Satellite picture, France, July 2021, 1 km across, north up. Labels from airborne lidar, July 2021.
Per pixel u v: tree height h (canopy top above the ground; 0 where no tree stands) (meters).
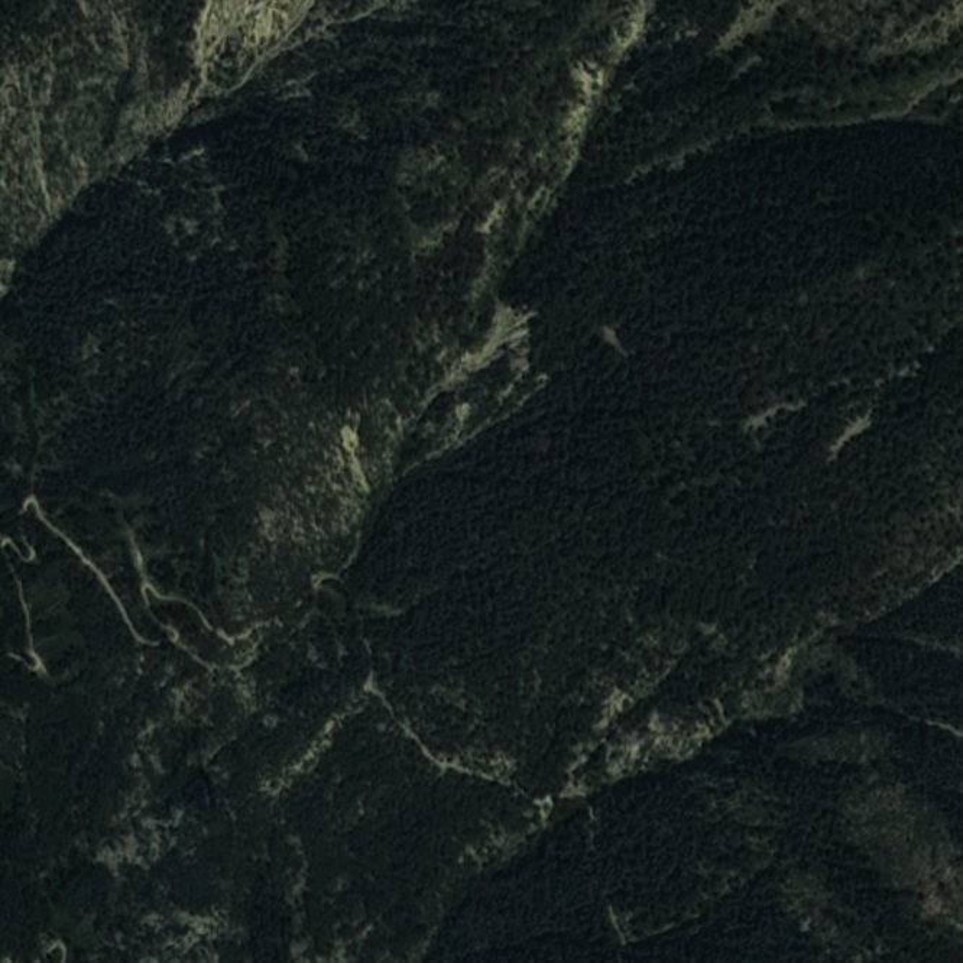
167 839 6
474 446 8
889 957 9
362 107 9
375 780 7
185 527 8
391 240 13
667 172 11
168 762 22
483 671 7
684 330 9
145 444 13
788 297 8
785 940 9
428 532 9
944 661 12
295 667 7
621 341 13
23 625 9
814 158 12
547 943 17
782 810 12
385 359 12
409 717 6
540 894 9
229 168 14
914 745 11
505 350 8
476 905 6
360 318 11
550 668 8
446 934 8
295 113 9
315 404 8
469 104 11
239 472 7
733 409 8
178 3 16
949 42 6
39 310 15
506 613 9
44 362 10
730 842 7
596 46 9
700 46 9
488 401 10
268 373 9
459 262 18
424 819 12
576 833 11
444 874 14
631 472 13
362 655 9
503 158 7
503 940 15
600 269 13
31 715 11
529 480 7
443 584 10
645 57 6
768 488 10
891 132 15
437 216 15
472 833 10
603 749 8
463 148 13
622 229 10
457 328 12
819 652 0
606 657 8
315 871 9
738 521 16
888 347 7
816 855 9
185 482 10
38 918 12
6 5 9
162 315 7
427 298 14
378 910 13
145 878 9
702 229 10
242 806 6
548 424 14
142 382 12
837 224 13
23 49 9
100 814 13
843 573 8
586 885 12
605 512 11
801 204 15
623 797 17
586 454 10
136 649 9
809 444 14
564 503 8
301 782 6
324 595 5
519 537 10
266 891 19
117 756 19
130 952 15
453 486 12
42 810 18
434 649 11
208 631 6
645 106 6
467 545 9
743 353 11
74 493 12
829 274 14
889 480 10
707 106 15
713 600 12
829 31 0
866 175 9
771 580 11
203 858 7
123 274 13
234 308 10
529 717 11
